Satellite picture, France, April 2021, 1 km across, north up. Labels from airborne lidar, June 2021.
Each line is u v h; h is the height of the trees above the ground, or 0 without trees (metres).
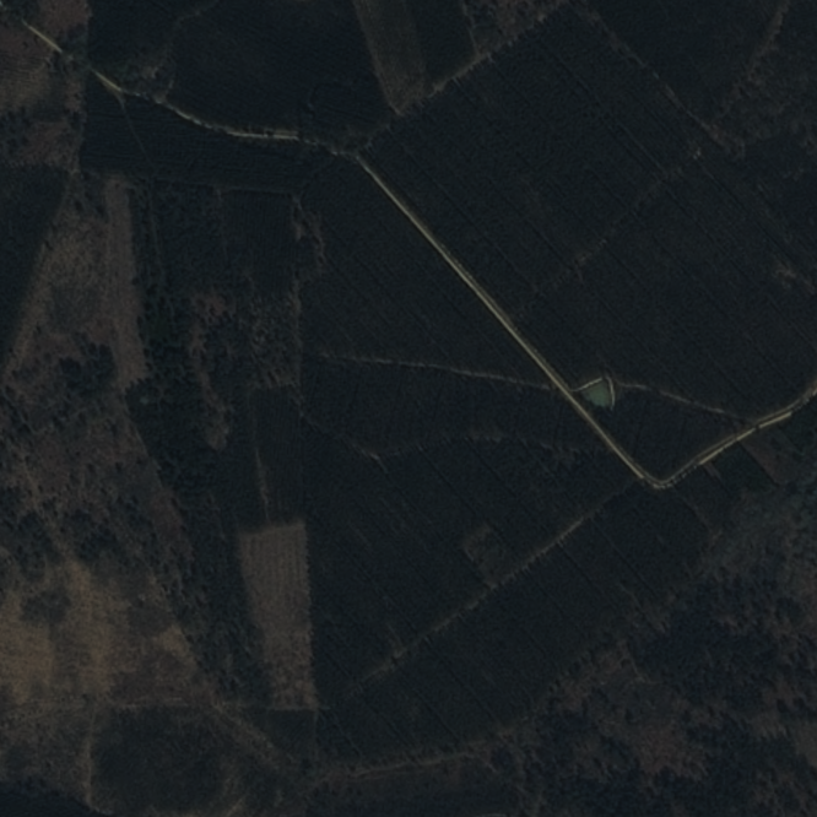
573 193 13
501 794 6
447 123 14
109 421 7
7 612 0
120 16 15
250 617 21
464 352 11
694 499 15
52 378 8
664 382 13
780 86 9
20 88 0
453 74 11
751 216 10
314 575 14
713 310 15
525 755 16
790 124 8
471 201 13
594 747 10
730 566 9
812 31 10
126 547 6
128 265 0
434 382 13
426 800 6
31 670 0
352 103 15
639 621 8
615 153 12
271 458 10
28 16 24
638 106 14
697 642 14
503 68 13
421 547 12
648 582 15
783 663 7
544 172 15
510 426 13
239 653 18
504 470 13
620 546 16
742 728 9
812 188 11
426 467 13
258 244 9
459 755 12
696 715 9
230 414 9
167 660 0
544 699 15
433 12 12
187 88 9
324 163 14
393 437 14
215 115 8
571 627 16
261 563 0
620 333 13
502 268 15
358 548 15
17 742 0
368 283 15
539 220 12
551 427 13
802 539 13
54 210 11
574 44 15
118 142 13
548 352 13
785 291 14
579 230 14
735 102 9
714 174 7
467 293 13
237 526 18
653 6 11
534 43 16
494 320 11
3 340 14
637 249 14
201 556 15
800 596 12
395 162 13
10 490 6
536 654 15
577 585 15
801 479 8
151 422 12
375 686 15
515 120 14
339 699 14
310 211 20
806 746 15
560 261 16
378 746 17
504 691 11
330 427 13
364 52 9
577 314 16
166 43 11
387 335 13
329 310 12
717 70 9
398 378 16
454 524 15
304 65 10
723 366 16
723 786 14
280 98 10
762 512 16
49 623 0
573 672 14
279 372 19
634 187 12
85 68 17
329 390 17
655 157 11
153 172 13
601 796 14
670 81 10
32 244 14
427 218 9
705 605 16
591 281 14
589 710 15
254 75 8
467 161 14
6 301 15
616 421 16
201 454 18
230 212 10
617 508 16
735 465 9
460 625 14
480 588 14
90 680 0
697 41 11
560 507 13
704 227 10
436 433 12
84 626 0
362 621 17
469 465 15
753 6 8
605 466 16
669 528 17
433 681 17
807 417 14
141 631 0
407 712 12
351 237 13
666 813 17
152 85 7
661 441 15
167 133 15
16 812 10
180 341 10
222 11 10
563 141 17
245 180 14
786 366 14
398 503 11
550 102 15
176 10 16
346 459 14
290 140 7
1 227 10
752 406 15
